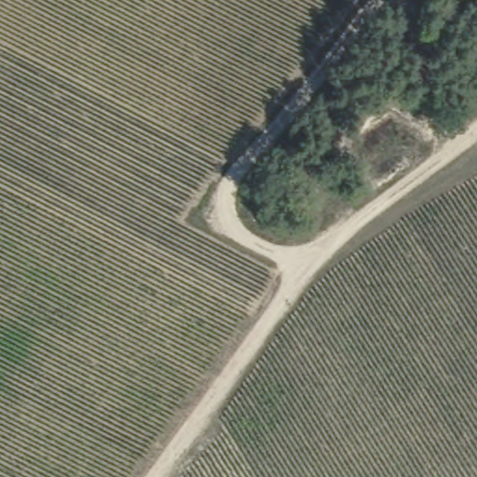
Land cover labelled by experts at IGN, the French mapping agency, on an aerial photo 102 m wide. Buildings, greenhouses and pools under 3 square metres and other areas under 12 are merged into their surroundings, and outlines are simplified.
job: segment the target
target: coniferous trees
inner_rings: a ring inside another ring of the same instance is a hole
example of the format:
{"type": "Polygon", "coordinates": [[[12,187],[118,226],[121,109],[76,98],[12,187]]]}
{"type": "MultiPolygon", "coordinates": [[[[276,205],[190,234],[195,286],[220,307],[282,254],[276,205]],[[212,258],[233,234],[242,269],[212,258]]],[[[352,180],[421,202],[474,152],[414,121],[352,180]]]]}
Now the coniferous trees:
{"type": "Polygon", "coordinates": [[[404,112],[410,112],[417,119],[429,119],[429,125],[436,117],[449,119],[457,110],[451,97],[462,102],[464,89],[477,89],[477,0],[404,0],[402,4],[380,7],[373,19],[365,20],[358,28],[356,39],[343,52],[343,58],[337,61],[339,65],[335,65],[328,67],[330,78],[324,78],[324,82],[313,89],[320,95],[317,106],[306,108],[306,114],[302,119],[294,119],[293,127],[278,143],[278,149],[272,149],[265,157],[255,158],[255,162],[248,166],[246,173],[235,184],[235,203],[240,222],[248,231],[252,231],[253,235],[278,246],[300,246],[311,242],[315,237],[309,231],[309,224],[320,194],[335,192],[341,194],[348,203],[352,198],[352,192],[363,184],[360,168],[356,168],[354,158],[348,155],[345,149],[339,149],[339,140],[343,136],[348,138],[354,130],[360,129],[365,117],[382,114],[380,108],[388,106],[388,101],[397,102],[404,112]]]}

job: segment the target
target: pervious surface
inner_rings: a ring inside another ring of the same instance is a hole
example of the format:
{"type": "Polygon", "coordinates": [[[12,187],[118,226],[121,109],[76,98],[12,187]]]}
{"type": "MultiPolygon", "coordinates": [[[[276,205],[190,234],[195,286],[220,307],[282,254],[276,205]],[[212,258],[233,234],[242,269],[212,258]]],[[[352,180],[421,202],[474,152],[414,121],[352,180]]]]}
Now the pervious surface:
{"type": "Polygon", "coordinates": [[[380,7],[402,4],[404,0],[369,0],[354,13],[350,24],[343,30],[343,34],[339,35],[332,50],[326,52],[324,58],[334,61],[335,65],[339,65],[337,61],[343,58],[343,52],[356,39],[358,28],[365,20],[373,19],[380,7]]]}
{"type": "Polygon", "coordinates": [[[255,162],[255,158],[252,149],[246,149],[235,160],[235,164],[231,166],[231,170],[212,196],[211,203],[214,207],[207,222],[214,231],[272,259],[281,272],[281,287],[272,304],[263,313],[263,317],[257,320],[257,324],[244,337],[237,352],[225,363],[222,373],[214,378],[211,388],[207,389],[207,393],[201,397],[192,414],[173,434],[164,453],[143,477],[168,477],[173,470],[173,462],[192,445],[199,432],[209,425],[212,414],[220,408],[227,393],[235,386],[238,376],[253,360],[257,350],[263,347],[266,335],[272,332],[276,322],[287,313],[289,307],[293,306],[298,294],[304,291],[304,287],[317,274],[320,266],[347,242],[348,238],[354,237],[363,225],[369,224],[380,212],[386,211],[389,205],[404,198],[416,186],[427,181],[432,173],[442,170],[447,162],[451,162],[462,151],[466,151],[477,142],[477,119],[471,121],[462,134],[457,134],[455,138],[443,143],[440,151],[430,153],[425,162],[421,162],[416,170],[402,177],[399,183],[391,186],[382,196],[367,203],[347,220],[339,220],[330,225],[319,237],[315,237],[311,242],[300,246],[278,246],[253,235],[252,231],[248,231],[240,222],[235,203],[235,184],[246,173],[248,166],[255,162]]]}

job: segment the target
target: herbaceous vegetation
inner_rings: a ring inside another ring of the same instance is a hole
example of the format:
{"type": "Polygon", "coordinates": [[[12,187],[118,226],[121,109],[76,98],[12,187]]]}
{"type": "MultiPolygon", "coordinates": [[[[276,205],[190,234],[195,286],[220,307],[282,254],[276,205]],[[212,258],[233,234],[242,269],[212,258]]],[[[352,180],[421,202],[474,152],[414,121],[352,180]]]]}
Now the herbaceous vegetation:
{"type": "Polygon", "coordinates": [[[451,162],[447,162],[442,170],[432,173],[427,181],[416,186],[404,198],[389,205],[386,211],[380,212],[369,224],[363,225],[354,237],[361,242],[373,237],[378,229],[391,224],[404,212],[414,212],[423,203],[438,198],[445,188],[464,188],[468,173],[477,171],[477,142],[466,151],[462,151],[451,162]]]}
{"type": "Polygon", "coordinates": [[[382,114],[365,117],[360,129],[354,130],[348,138],[343,136],[339,140],[339,149],[345,149],[348,155],[354,158],[356,168],[360,168],[363,184],[352,192],[352,198],[348,203],[341,194],[335,192],[320,194],[309,224],[309,231],[315,237],[319,237],[330,225],[339,220],[347,220],[367,203],[382,196],[391,186],[399,183],[402,177],[416,170],[421,162],[425,162],[430,153],[440,151],[443,143],[455,138],[457,134],[462,134],[471,121],[477,119],[477,89],[464,89],[462,102],[451,97],[457,110],[449,119],[436,117],[429,125],[429,119],[417,119],[410,112],[404,112],[397,102],[388,101],[388,106],[380,108],[382,114]]]}

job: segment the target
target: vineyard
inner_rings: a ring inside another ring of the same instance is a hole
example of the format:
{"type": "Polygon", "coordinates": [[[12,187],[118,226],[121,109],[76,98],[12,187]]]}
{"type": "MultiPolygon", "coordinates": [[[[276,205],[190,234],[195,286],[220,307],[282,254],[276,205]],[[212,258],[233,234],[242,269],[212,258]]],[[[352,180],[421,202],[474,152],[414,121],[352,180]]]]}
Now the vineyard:
{"type": "Polygon", "coordinates": [[[209,425],[199,432],[192,445],[173,462],[173,470],[168,477],[477,477],[477,171],[468,173],[464,188],[445,188],[438,198],[423,203],[414,212],[404,212],[391,224],[378,229],[373,237],[361,242],[354,237],[348,238],[347,242],[320,266],[317,274],[304,287],[304,291],[298,294],[293,306],[289,307],[287,313],[276,322],[272,332],[266,335],[263,347],[257,350],[253,360],[238,376],[235,386],[227,393],[220,408],[212,414],[209,425]]]}
{"type": "Polygon", "coordinates": [[[326,52],[332,50],[339,35],[343,34],[343,30],[350,24],[354,13],[369,0],[0,0],[0,477],[143,477],[164,453],[173,434],[192,414],[201,397],[207,393],[207,389],[211,388],[214,378],[222,373],[225,363],[237,352],[244,337],[257,324],[257,320],[263,317],[263,313],[272,304],[281,287],[281,272],[272,259],[214,231],[207,222],[214,207],[211,203],[212,196],[231,170],[231,166],[235,164],[235,160],[246,149],[252,149],[255,158],[265,157],[272,149],[278,149],[278,143],[293,127],[294,119],[302,119],[306,114],[306,108],[317,106],[320,95],[313,89],[324,82],[324,78],[330,78],[328,67],[335,65],[334,61],[324,58],[326,52]]]}

